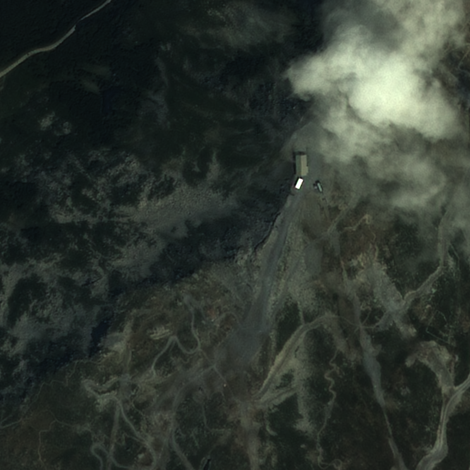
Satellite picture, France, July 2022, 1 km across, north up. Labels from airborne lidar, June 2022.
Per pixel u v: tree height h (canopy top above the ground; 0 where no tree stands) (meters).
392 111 0
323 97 0
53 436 0
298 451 0
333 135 0
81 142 0
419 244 0
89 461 0
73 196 0
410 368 0
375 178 0
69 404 0
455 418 0
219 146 0
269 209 0
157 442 0
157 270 0
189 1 0
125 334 0
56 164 0
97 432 0
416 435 0
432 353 0
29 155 0
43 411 0
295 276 0
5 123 0
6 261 0
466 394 0
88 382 0
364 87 0
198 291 0
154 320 0
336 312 0
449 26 0
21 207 5
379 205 0
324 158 0
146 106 0
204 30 0
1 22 6
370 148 0
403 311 0
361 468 0
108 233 0
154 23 0
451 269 0
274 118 0
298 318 0
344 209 0
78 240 0
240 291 0
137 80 6
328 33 6
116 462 0
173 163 0
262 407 0
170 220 0
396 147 0
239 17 0
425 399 0
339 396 0
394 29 0
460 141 0
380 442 0
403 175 0
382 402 0
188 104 0
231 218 0
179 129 0
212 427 0
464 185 0
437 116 0
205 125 0
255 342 0
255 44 0
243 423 0
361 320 0
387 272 0
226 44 0
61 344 0
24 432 0
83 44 5
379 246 0
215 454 0
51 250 0
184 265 0
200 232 0
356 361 0
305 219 0
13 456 0
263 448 0
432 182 0
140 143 0
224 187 0
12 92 0
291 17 0
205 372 0
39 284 0
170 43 0
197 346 0
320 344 0
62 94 6
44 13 6
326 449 0
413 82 0
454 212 0
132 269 0
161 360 0
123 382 0
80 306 0
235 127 0
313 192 0
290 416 0
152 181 0
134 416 0
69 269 0
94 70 0
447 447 0
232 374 0
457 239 0
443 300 0
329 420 0
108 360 0
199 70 0
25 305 0
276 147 0
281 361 0
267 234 0
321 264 0
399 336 0
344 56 0
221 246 0
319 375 0
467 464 0
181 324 0
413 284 0
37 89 0
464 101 0
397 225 0
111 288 0
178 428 0
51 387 0
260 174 0
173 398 0
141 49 5
